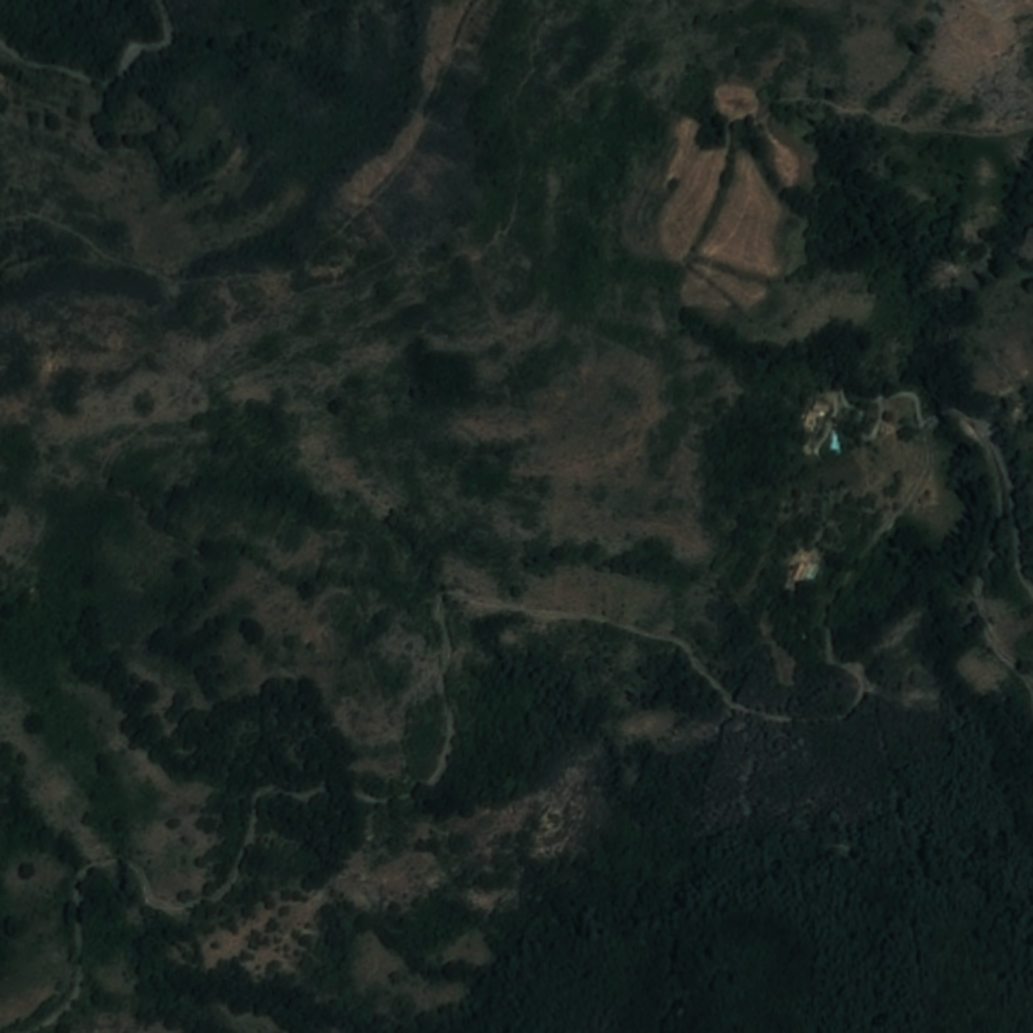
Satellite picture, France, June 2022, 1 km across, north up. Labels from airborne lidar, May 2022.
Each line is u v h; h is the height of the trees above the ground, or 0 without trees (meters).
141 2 11
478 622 13
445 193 0
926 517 0
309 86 6
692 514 0
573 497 0
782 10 7
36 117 14
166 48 8
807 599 15
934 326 10
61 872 0
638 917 25
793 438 9
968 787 23
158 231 0
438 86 0
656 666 13
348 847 13
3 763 9
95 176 0
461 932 10
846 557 12
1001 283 0
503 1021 13
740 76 0
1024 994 21
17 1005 0
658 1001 28
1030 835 14
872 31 0
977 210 0
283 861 8
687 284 0
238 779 16
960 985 22
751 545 12
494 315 0
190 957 7
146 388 0
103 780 6
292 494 10
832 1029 27
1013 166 11
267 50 6
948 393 18
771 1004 23
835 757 18
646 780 15
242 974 8
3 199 0
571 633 8
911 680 9
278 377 0
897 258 11
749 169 0
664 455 0
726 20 8
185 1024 11
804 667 13
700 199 0
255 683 0
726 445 12
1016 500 15
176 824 9
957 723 18
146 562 0
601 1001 8
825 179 9
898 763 20
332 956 9
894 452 0
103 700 0
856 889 36
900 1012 35
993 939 33
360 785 6
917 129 0
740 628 10
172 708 10
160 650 10
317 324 0
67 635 11
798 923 35
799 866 30
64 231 0
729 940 17
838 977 30
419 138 0
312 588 13
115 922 16
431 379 8
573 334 0
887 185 9
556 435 0
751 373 8
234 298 0
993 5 0
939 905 39
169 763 14
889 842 37
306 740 8
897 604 21
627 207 0
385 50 0
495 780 13
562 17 0
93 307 0
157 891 0
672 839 9
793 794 22
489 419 0
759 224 0
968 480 25
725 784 17
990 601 0
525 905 9
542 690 15
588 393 0
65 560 7
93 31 10
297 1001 17
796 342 19
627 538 7
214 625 9
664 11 0
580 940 23
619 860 11
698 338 7
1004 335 0
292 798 12
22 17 9
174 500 12
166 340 0
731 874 26
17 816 13
